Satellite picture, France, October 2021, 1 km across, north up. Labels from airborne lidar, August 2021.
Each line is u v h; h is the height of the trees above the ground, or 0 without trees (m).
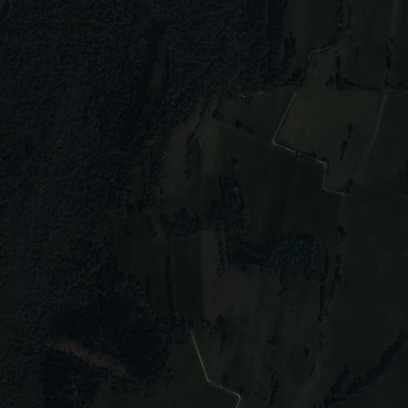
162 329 12
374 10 0
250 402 0
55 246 9
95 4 13
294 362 0
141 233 0
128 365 21
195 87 19
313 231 0
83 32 12
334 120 0
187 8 19
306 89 0
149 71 13
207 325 10
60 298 10
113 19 17
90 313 19
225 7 13
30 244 8
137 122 19
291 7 0
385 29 0
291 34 0
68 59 23
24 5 13
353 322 0
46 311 13
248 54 12
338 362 0
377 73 0
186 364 0
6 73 6
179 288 0
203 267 0
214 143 0
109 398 0
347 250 0
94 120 21
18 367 10
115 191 26
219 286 0
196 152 10
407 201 0
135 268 0
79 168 9
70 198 12
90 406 13
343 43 0
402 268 0
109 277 21
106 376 13
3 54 6
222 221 13
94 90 9
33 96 9
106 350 18
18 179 14
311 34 0
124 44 17
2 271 9
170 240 14
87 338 20
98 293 8
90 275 19
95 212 18
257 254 12
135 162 17
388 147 0
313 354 0
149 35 9
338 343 0
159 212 0
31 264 13
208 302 0
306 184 0
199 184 0
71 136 11
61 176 7
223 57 21
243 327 0
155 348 15
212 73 14
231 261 15
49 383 15
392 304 0
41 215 14
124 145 13
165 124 26
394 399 0
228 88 12
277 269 13
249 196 0
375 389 0
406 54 0
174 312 18
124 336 21
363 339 0
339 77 12
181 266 0
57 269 11
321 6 0
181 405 0
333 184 0
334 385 0
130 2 18
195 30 12
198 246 0
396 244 0
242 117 0
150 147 15
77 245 8
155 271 0
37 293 8
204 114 12
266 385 0
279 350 0
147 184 10
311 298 0
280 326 0
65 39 22
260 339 0
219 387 0
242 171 0
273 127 0
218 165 0
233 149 0
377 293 0
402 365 0
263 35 21
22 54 11
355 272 0
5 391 7
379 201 0
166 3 14
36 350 21
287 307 0
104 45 10
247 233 17
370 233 0
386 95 0
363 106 0
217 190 0
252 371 0
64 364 14
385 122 0
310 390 0
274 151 0
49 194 11
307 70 9
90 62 19
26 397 7
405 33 0
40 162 15
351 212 0
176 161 0
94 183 19
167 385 13
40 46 16
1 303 11
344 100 0
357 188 0
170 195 0
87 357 0
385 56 0
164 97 21
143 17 16
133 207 13
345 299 0
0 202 10
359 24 0
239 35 17
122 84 19
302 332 0
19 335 13
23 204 14
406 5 0
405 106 0
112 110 31
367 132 0
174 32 19
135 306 10
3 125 17
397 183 0
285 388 0
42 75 7
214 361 0
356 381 0
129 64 24
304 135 0
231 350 0
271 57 26
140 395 9
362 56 0
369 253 0
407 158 0
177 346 13
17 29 10
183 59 16
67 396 21
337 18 8
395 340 0
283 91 0
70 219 12
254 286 0
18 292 7
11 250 7
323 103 0
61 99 14
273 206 0
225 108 0
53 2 19
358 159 0
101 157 16
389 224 0
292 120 0
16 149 12
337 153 0
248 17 22
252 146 0
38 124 14
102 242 24
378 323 0
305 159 6
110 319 18
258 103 0
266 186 0
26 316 11
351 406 0
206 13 11
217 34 7
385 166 0
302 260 13
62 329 20
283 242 11
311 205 0
